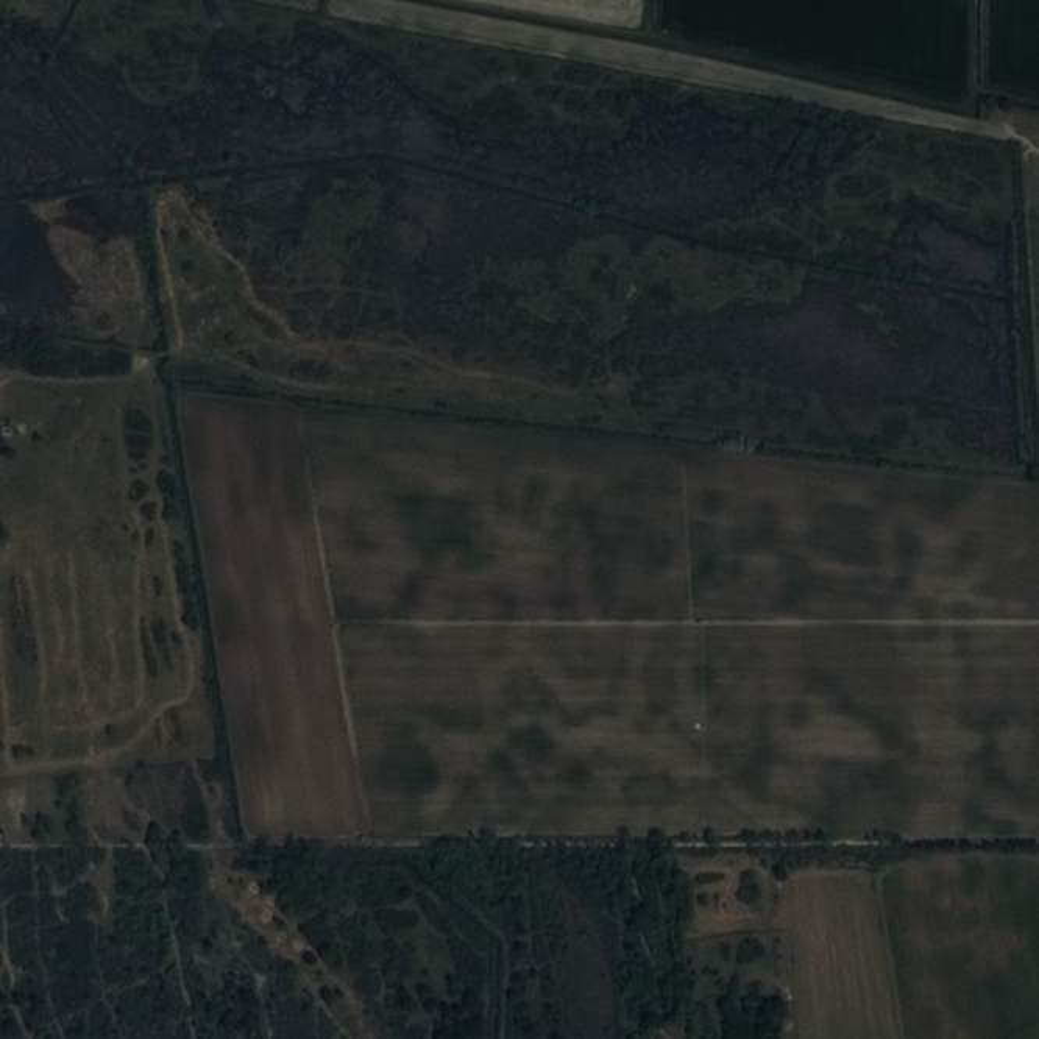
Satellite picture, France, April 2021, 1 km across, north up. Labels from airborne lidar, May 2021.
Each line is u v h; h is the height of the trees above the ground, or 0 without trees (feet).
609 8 0
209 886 0
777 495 0
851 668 0
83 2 0
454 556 0
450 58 0
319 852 39
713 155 0
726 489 0
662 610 0
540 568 0
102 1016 31
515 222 0
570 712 0
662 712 0
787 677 0
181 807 0
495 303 25
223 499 0
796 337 0
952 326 0
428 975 26
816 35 0
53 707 0
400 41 0
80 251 0
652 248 0
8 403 0
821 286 0
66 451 0
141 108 0
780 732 0
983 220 0
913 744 0
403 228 0
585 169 0
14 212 0
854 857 22
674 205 0
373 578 0
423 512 0
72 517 0
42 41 0
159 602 0
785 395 0
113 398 0
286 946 0
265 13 0
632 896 33
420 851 20
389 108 0
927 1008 0
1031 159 0
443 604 0
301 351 0
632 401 0
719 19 0
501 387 0
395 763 0
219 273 0
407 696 0
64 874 31
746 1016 36
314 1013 33
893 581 0
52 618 0
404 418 0
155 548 0
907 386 0
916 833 0
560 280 0
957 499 0
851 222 0
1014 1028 0
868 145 0
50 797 0
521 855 25
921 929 0
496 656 0
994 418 0
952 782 0
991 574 0
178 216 0
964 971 0
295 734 0
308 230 0
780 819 0
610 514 0
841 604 0
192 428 0
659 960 25
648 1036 38
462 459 0
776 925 0
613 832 0
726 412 0
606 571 0
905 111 0
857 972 0
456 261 0
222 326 0
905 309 0
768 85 0
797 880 0
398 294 0
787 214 0
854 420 0
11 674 0
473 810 0
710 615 0
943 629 0
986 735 0
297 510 0
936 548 0
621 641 0
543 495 0
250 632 0
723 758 0
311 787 0
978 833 0
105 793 0
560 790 0
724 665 0
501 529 0
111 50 0
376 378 0
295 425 0
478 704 0
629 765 0
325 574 0
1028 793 0
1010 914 0
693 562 0
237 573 0
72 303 0
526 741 0
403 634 0
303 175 0
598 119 0
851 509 0
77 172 0
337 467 0
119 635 0
